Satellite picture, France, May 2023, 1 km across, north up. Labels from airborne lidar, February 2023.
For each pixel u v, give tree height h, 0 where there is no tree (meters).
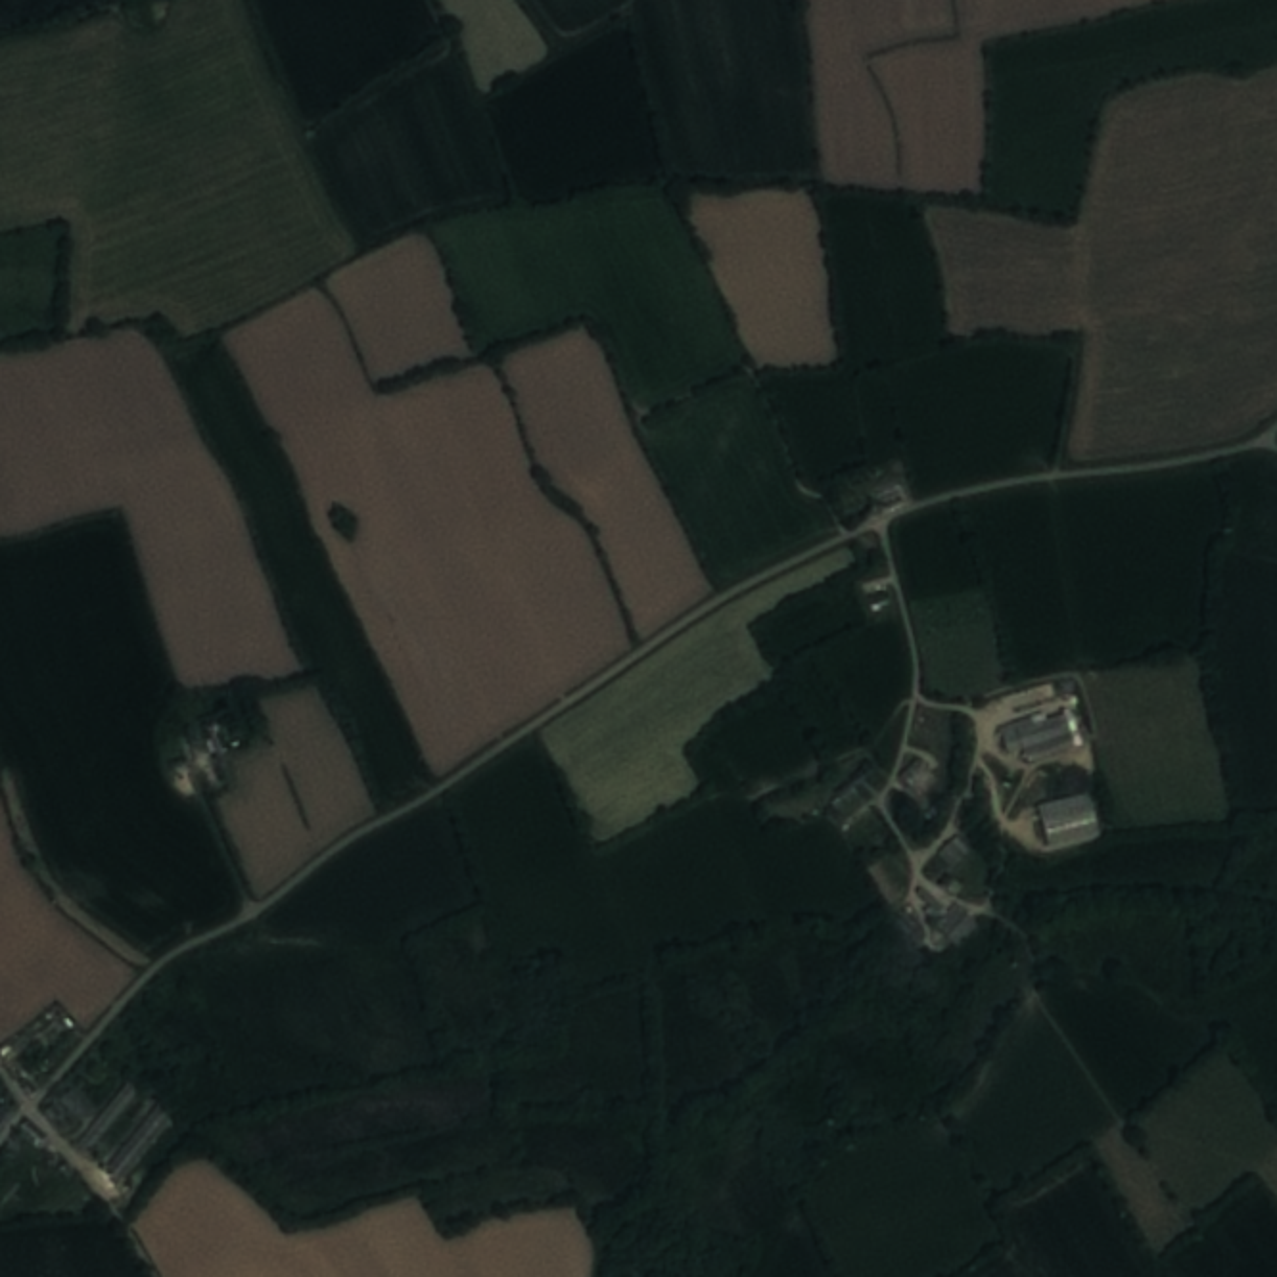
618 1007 0
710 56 0
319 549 7
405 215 0
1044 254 0
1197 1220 13
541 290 0
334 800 0
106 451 0
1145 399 0
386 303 0
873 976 15
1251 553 0
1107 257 0
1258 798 0
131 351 0
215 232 0
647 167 0
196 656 0
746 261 0
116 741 0
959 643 0
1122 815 0
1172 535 0
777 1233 0
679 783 0
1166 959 0
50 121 0
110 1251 0
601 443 0
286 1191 0
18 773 0
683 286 0
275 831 0
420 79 0
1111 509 0
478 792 0
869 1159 0
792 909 0
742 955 9
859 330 0
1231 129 0
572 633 0
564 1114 12
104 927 0
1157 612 0
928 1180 0
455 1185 10
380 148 0
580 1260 0
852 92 0
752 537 0
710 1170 0
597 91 0
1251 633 0
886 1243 0
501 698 0
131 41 0
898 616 0
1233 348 0
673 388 0
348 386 0
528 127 0
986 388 0
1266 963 9
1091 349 0
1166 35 0
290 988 0
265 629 0
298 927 0
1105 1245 0
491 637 0
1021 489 0
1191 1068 6
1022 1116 0
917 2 0
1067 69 0
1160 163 0
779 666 8
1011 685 10
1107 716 0
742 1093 16
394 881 0
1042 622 0
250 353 0
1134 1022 0
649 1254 10
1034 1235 0
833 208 0
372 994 0
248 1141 0
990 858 14
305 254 0
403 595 0
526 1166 5
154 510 0
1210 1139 0
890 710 0
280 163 0
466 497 0
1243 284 0
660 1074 9
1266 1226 0
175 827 0
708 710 0
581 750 0
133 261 0
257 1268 0
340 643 0
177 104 0
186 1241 0
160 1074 16
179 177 0
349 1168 0
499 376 8
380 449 0
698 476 0
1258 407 0
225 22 0
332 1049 0
